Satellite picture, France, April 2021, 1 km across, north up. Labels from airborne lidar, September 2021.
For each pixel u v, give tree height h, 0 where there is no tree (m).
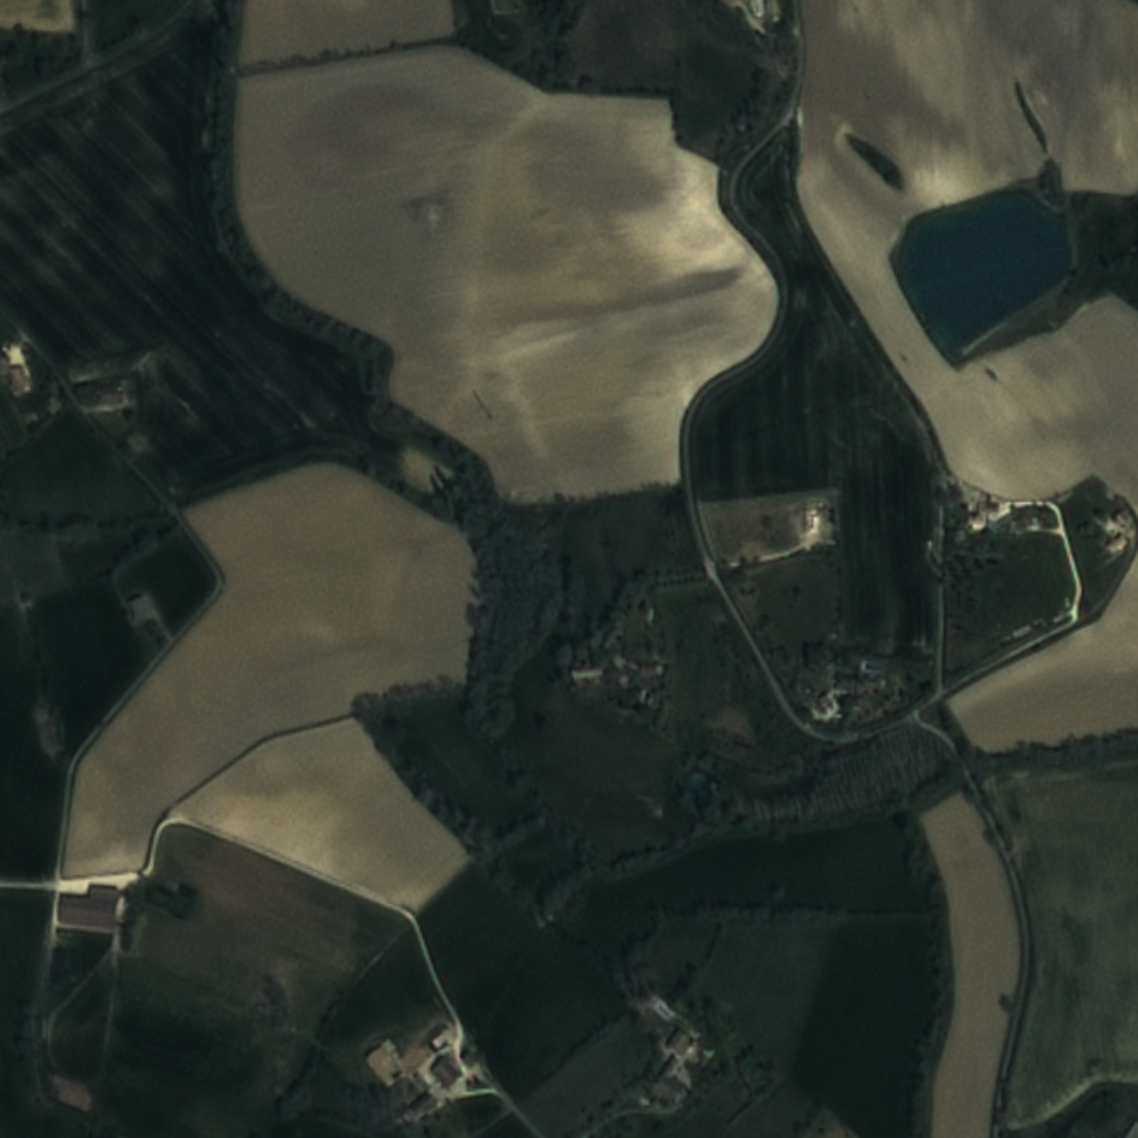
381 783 0
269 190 0
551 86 13
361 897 0
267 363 0
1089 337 0
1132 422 0
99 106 0
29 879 0
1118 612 0
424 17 0
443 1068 0
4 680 0
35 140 0
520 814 0
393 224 0
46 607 0
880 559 0
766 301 0
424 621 0
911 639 0
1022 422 0
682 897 0
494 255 0
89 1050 0
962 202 0
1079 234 0
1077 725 0
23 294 0
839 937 0
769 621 6
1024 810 0
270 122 0
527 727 0
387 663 0
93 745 0
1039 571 0
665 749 0
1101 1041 0
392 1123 17
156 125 0
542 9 10
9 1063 0
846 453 0
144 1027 0
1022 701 0
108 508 0
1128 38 0
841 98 0
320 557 0
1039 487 0
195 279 0
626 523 0
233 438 0
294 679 0
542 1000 0
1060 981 0
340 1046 0
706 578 6
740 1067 10
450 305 0
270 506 0
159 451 0
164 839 0
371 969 0
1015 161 0
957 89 0
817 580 0
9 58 17
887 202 0
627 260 0
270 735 0
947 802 0
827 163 0
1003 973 0
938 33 0
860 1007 0
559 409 0
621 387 0
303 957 0
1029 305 0
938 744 24
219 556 0
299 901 0
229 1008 0
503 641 19
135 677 0
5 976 0
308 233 0
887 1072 0
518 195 0
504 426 0
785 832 11
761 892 0
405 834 0
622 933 0
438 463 0
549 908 21
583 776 0
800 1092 0
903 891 0
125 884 0
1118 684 0
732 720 0
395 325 0
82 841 0
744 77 0
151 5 0
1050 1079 0
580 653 15
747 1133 0
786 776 7
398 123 0
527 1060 0
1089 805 0
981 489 0
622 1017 8
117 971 0
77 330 0
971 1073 0
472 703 14
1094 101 0
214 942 0
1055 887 0
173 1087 0
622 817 0
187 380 0
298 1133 0
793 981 0
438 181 0
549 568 20
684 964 0
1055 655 0
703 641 0
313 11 0
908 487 0
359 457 0
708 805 19
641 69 0
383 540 0
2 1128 0
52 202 0
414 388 0
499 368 0
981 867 0
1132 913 0
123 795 0
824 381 0
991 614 0
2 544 0
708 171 0
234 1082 0
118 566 12
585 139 0
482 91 0
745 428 0
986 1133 0
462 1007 0
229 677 0
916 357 0
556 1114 0
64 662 0
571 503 6
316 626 0
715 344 0
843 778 30
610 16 0
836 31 0
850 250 0
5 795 0
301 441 0
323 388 0
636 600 9
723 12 19
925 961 0
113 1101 0
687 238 0
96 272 0
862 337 0
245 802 0
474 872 0
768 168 0
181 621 0
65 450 0
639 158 0
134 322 0
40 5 0
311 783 0
